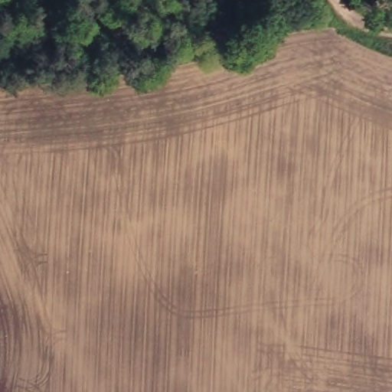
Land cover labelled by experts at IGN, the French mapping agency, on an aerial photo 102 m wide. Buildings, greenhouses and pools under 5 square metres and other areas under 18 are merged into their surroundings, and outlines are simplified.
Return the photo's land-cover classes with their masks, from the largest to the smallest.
<instances>
[{"label":"agricultural land","instance_id":"1","mask_svg":"<svg viewBox=\"0 0 392 392\"><path fill-rule=\"evenodd\" d=\"M0 392H392V57L367 49L349 40L345 35L337 34L334 29L296 31L291 32L285 38V43L280 44L273 60L254 67L250 72L237 73L222 66L211 72H204L198 64L191 61L188 64H178L173 70L167 84L161 89L145 93L136 92L135 89L130 86L119 87L112 95L103 98L93 96V93L87 90L84 93L57 96L54 92H43L37 86H29L28 89L18 90L17 95L12 96L11 93L0 89Z\"/></svg>","mask_w":392,"mask_h":392},{"label":"coniferous trees","instance_id":"2","mask_svg":"<svg viewBox=\"0 0 392 392\"><path fill-rule=\"evenodd\" d=\"M273 0H0V40L18 23L29 28L44 29L41 37L34 38L29 43L14 41L8 57L0 60V89L11 93L12 96L17 95L18 90L28 89L29 86H37L43 92H54L57 96L84 93L87 90L86 84L98 78L95 69H103L109 61H113L119 67V87L130 86L135 89L142 77H153L164 64L173 70L178 64H188L191 61L198 64L204 72H211L222 66L220 55L227 54L228 41H242V38L250 34L256 26L266 28V17L273 15ZM77 11L87 15L100 29L90 44L69 43L70 37L66 34L69 28V15Z\"/></svg>","mask_w":392,"mask_h":392},{"label":"deciduous trees","instance_id":"3","mask_svg":"<svg viewBox=\"0 0 392 392\"><path fill-rule=\"evenodd\" d=\"M100 29L87 15L77 11L69 15V28L66 34L70 37L69 43L90 44ZM286 15H273L266 17V28L256 26L250 34L242 38V41H228L227 54L220 55L222 66L237 73L250 72L254 67L273 60L280 44L285 43V38L291 32L296 31L285 23ZM44 29L29 28L18 23L0 40V60L8 57L14 41L29 43L34 38L41 37ZM98 78L86 84L87 90L93 93V96L103 98L112 95L119 87V67L113 61H109L103 69H95ZM173 70L164 64L153 77H142L135 89L136 92L145 93L161 89L167 84Z\"/></svg>","mask_w":392,"mask_h":392},{"label":"herbaceous vegetation","instance_id":"4","mask_svg":"<svg viewBox=\"0 0 392 392\"><path fill-rule=\"evenodd\" d=\"M273 15H286L285 23L296 31L334 29L337 34L345 35L349 40L367 49L392 57V15H389L384 23L375 24V29H367L364 26L357 29L349 26L334 11L329 0H273Z\"/></svg>","mask_w":392,"mask_h":392},{"label":"brushwood","instance_id":"5","mask_svg":"<svg viewBox=\"0 0 392 392\"><path fill-rule=\"evenodd\" d=\"M345 8L358 12L363 17L364 26L367 29H375V24L384 23L389 15H392V0H346L343 3Z\"/></svg>","mask_w":392,"mask_h":392},{"label":"pervious surface","instance_id":"6","mask_svg":"<svg viewBox=\"0 0 392 392\"><path fill-rule=\"evenodd\" d=\"M334 11L349 26L357 29L364 26L363 17L358 12L345 8L343 3L346 0H329Z\"/></svg>","mask_w":392,"mask_h":392}]
</instances>
